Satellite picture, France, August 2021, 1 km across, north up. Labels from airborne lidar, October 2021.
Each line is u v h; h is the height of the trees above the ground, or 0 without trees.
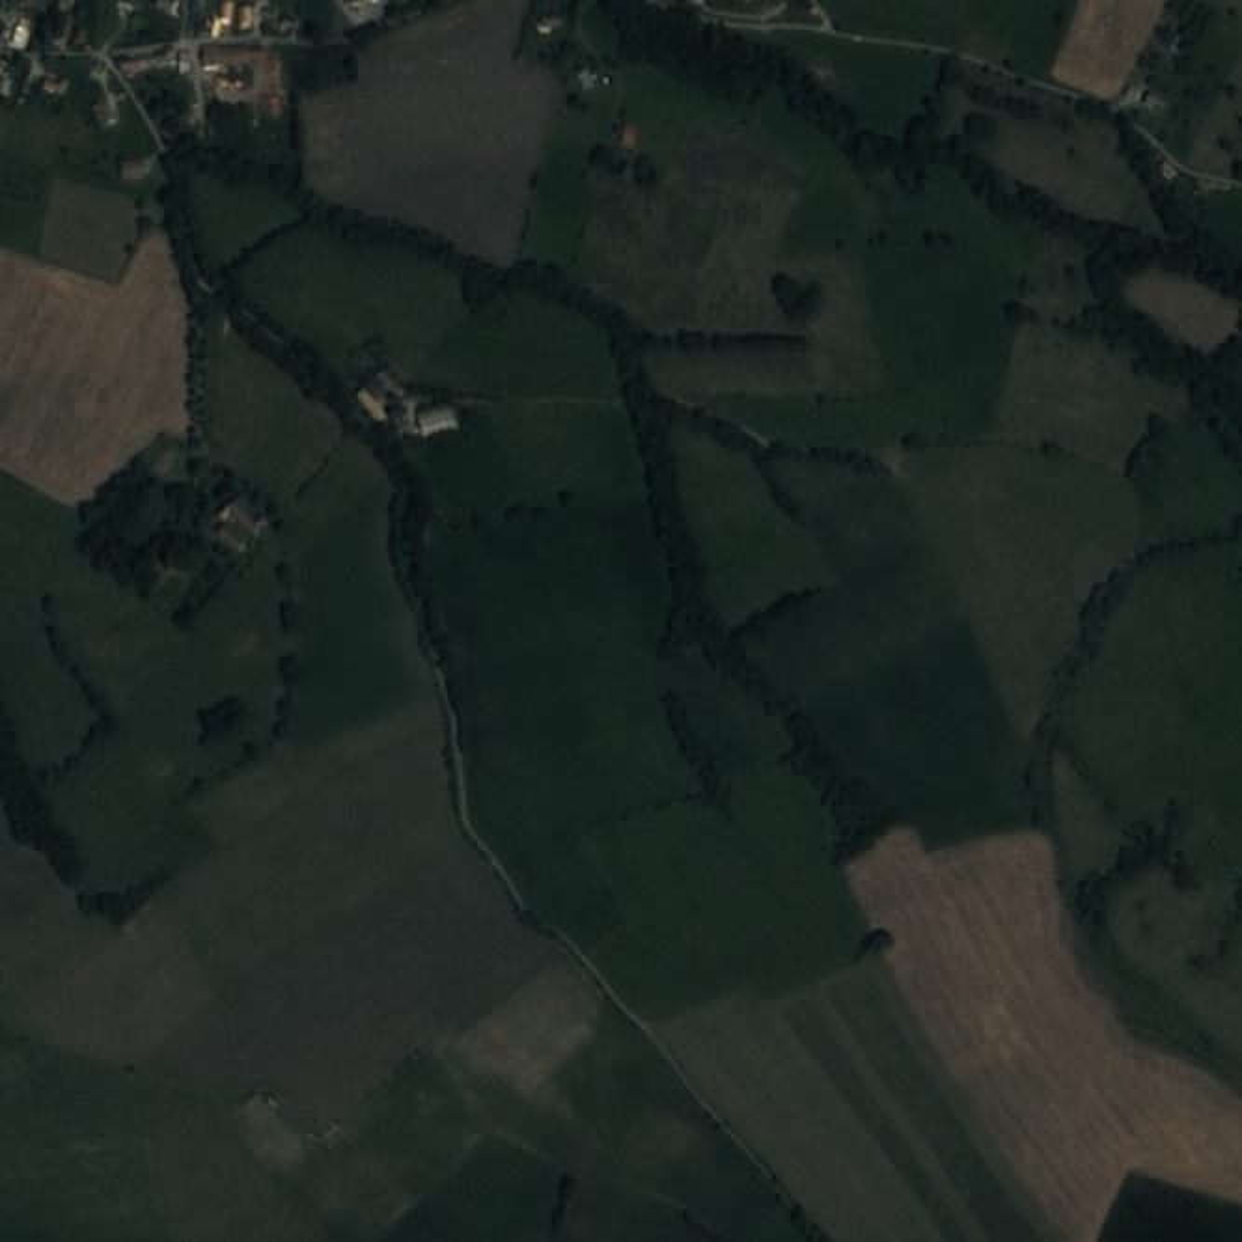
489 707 0
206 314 12
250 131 0
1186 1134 0
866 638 0
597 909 0
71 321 0
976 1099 0
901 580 0
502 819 0
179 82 0
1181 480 0
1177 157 0
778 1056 0
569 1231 0
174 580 0
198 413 7
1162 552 15
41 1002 0
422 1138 0
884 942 11
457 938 0
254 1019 0
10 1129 0
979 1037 0
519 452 0
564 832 0
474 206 0
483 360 0
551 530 0
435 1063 0
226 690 0
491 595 0
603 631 0
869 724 0
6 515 0
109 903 13
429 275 0
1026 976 0
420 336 0
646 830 0
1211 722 0
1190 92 6
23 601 0
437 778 0
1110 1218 0
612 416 0
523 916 6
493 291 14
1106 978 0
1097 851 0
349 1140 0
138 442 0
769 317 0
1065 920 0
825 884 0
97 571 9
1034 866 0
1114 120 11
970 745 0
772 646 0
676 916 0
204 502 8
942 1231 0
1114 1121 0
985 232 0
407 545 20
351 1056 0
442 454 0
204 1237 0
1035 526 0
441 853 0
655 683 0
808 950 0
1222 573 0
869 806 16
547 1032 0
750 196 0
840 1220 0
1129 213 0
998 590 0
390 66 0
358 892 0
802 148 0
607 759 0
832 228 0
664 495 21
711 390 0
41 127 0
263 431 0
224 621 0
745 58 16
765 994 0
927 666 0
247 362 0
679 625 15
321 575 0
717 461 0
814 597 12
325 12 0
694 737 14
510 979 0
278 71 0
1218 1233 0
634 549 0
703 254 0
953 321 0
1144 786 0
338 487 0
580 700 0
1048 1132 0
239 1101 0
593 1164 0
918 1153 0
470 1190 0
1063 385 0
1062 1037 0
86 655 0
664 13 20
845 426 0
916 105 0
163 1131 0
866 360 0
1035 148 0
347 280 0
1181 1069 0
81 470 0
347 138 0
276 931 0
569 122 0
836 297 0
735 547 0
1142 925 0
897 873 0
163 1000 0
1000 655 0
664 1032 0
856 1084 0
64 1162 0
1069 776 0
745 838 0
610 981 0
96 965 0
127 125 0
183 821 0
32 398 0
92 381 0
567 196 0
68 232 0
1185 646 0
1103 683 0
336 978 0
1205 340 0
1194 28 10
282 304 0
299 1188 0
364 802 0
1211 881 0
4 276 0
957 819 0
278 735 9
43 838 19
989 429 0
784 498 11
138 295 0
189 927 0
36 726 0
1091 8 0
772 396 0
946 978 0
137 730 0
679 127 0
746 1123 0
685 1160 0
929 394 0
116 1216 0
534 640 0
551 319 0
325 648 0
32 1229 0
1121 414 0
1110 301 17
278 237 10
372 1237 0
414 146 0
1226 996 0
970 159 21
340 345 0
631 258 0
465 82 0
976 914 0
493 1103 0
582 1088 0
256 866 0
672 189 0
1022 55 0
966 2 0
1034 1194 0
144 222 8
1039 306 0
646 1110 0
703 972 0
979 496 0
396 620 0
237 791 0
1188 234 18
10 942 0
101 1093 0
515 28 0
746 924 0
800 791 0
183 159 18
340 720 0
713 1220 0
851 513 0
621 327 20
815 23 0
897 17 0
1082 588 0
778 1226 0
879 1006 0
